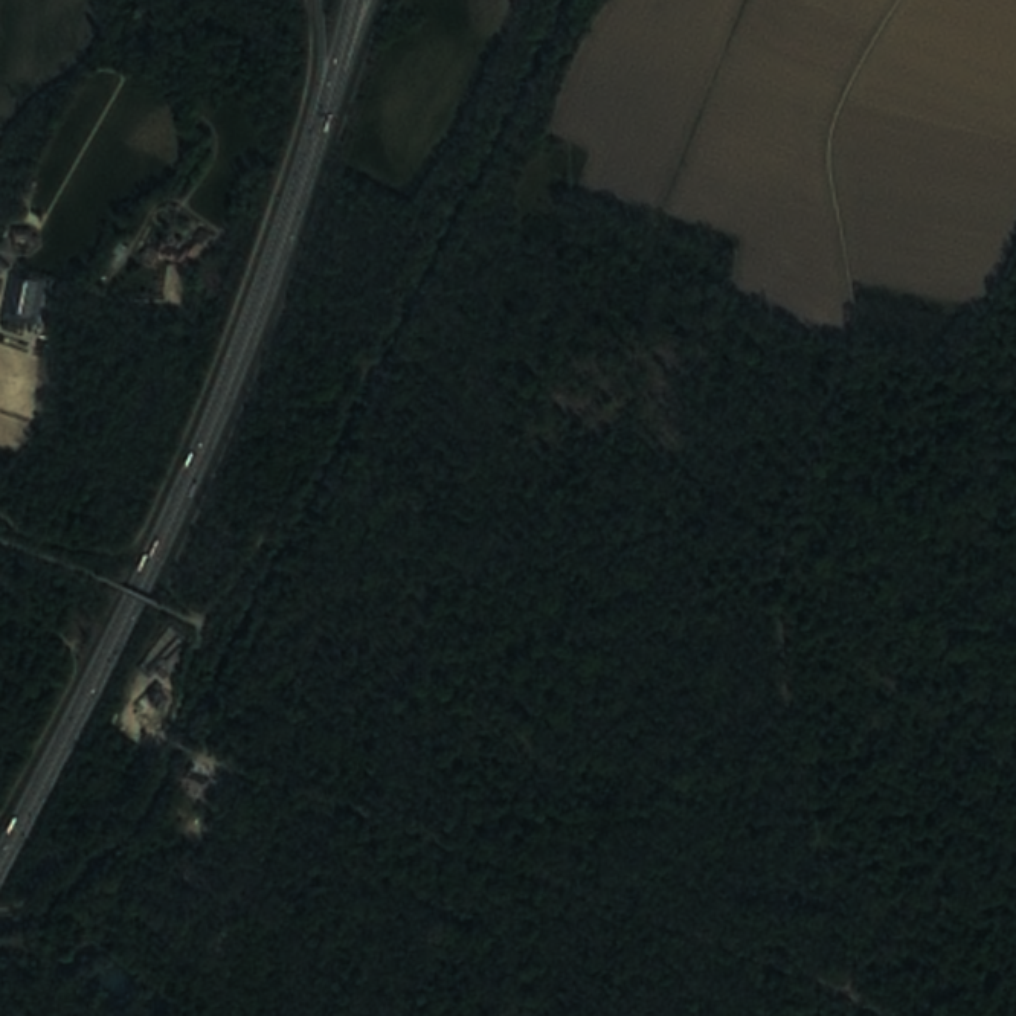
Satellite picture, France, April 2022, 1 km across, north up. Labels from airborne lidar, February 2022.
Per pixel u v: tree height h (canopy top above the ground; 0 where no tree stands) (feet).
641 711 74
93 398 67
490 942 87
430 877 74
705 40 0
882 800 78
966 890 77
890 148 0
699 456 84
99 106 0
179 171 31
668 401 85
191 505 0
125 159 0
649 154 0
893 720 70
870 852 78
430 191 71
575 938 70
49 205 0
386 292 78
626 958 96
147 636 39
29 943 61
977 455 90
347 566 86
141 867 87
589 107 0
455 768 41
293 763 81
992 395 58
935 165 0
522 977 85
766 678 76
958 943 89
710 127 0
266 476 65
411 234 77
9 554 68
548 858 85
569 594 70
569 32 78
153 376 85
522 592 89
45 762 0
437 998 101
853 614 68
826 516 55
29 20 0
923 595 50
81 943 68
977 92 0
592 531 93
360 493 94
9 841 0
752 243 0
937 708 73
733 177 0
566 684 94
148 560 0
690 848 88
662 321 93
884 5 0
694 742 89
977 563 56
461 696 90
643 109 0
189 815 0
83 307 73
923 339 53
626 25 0
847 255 0
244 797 85
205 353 70
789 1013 84
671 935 86
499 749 77
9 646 99
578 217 89
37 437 56
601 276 71
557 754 95
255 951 59
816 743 78
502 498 69
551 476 51
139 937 96
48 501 80
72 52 0
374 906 80
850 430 77
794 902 68
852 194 0
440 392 66
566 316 98
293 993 57
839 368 84
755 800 76
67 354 74
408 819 75
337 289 83
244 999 69
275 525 67
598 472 98
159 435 77
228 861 85
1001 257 0
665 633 68
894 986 66
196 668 37
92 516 73
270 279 0
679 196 0
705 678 96
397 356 85
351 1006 80
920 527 76
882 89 0
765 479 92
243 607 69
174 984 43
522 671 96
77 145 0
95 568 19
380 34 37
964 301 0
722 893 77
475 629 73
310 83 0
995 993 73
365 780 36
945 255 0
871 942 54
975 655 73
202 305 73
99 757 71
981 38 0
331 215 65
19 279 0
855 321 60
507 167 69
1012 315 79
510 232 100
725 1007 79
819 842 93
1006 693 89
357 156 0
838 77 0
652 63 0
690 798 79
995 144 0
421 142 0
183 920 111
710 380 104
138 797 109
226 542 71
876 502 97
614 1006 94
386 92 0
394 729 85
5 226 70
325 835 73
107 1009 73
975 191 0
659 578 82
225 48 87
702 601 83
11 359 0
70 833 65
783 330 65
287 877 96
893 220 0
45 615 78
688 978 87
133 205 42
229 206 32
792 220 0
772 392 98
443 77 0
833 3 0
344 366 88
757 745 78
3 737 73
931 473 77
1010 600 73
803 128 0
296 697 77
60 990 88
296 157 0
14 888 35
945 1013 83
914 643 72
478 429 70
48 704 72
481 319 65
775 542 96
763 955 77
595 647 104
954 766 55
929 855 86
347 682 90
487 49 0
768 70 0
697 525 92
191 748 79
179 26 76
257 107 63
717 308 113
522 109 94
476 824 93
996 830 94
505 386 93
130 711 0
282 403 68
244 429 53
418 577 82
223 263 53
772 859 75
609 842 76
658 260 63
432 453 99
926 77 0
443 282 62
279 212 0
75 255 0
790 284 0
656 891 82
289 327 62
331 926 78
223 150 0
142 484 67
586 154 0
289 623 56
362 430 60
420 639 78
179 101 58
